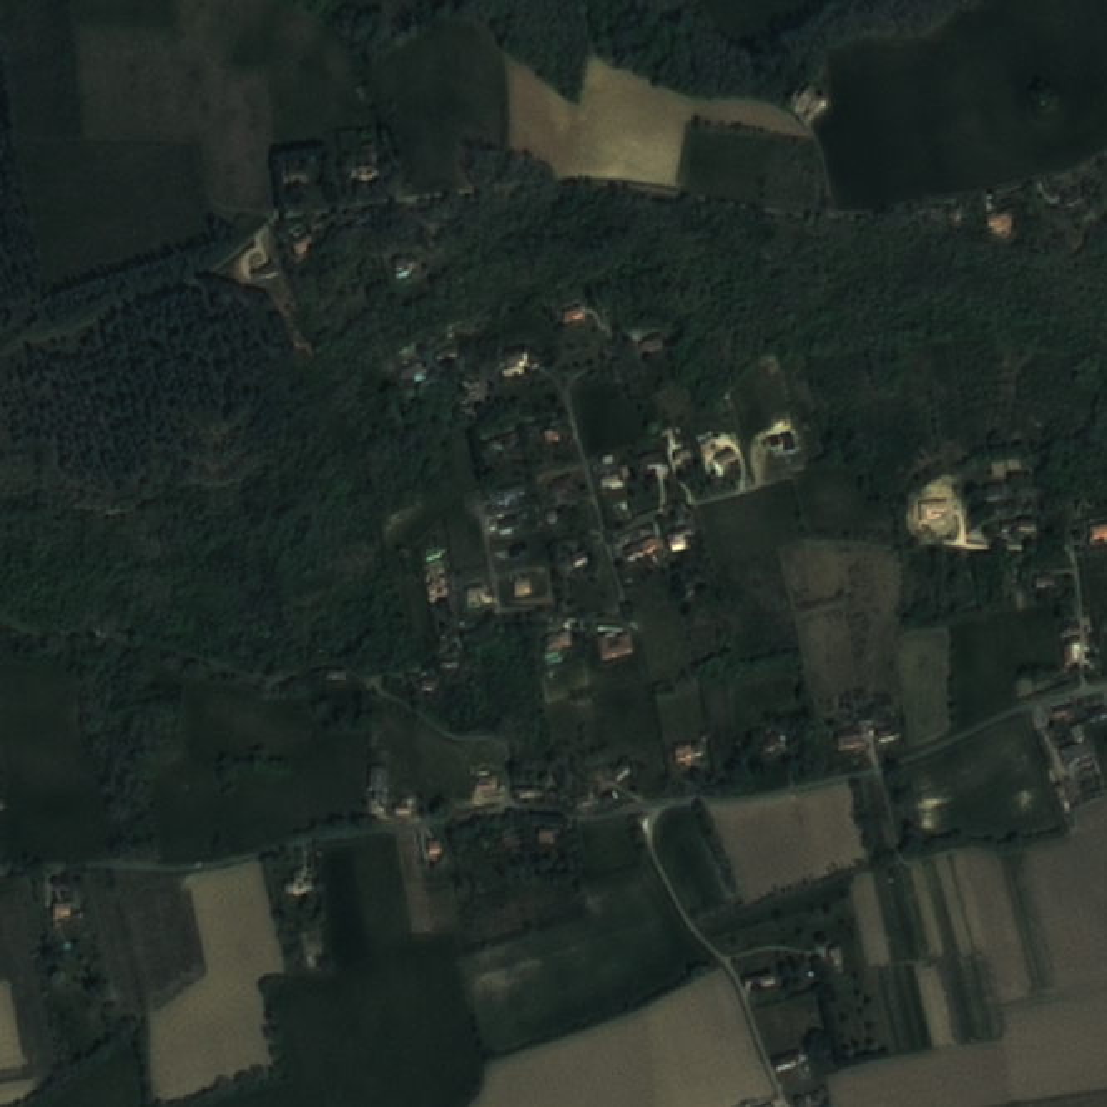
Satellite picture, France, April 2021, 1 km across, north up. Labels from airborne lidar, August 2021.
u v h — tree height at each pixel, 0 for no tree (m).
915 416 6
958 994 0
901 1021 0
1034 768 0
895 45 0
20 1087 0
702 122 9
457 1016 0
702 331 9
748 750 12
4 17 19
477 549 0
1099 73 0
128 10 0
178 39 0
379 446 18
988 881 0
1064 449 15
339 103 0
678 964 0
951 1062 0
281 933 6
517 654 7
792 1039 0
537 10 20
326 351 9
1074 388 6
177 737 10
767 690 0
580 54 20
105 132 0
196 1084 0
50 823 0
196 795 0
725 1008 0
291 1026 0
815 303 14
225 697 0
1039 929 0
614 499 0
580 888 18
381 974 0
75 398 14
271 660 14
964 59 0
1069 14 0
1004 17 0
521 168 16
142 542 16
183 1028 0
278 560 7
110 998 10
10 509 20
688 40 23
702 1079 0
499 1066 0
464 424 15
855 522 0
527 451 5
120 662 9
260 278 0
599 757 17
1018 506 6
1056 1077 0
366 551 15
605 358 10
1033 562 13
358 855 0
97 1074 0
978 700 0
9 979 0
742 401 0
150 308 20
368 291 8
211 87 0
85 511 18
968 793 0
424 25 12
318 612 9
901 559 9
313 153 14
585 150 0
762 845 0
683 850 0
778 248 18
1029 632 0
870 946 0
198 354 13
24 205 15
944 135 0
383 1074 0
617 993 0
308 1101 0
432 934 0
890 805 0
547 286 6
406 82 0
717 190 0
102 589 8
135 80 0
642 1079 0
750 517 0
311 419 10
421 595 0
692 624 7
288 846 5
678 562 7
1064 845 0
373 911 0
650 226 17
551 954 0
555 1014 0
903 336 16
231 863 0
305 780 0
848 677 0
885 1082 0
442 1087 0
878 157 0
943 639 0
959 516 0
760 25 0
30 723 0
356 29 13
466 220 17
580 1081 0
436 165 0
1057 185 7
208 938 0
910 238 12
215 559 8
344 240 19
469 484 0
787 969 11
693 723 0
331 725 11
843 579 0
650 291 20
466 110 0
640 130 0
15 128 19
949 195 0
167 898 0
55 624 14
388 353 18
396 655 13
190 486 23
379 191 12
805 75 10
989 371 7
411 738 0
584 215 10
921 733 0
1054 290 13
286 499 7
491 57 0
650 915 0
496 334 12
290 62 0
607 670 0
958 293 8
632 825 7
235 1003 0
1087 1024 0
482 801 0
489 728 10
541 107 0
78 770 0
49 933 8
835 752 0
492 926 0
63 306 16
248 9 0
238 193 0
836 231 13
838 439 14
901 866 0
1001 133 0
